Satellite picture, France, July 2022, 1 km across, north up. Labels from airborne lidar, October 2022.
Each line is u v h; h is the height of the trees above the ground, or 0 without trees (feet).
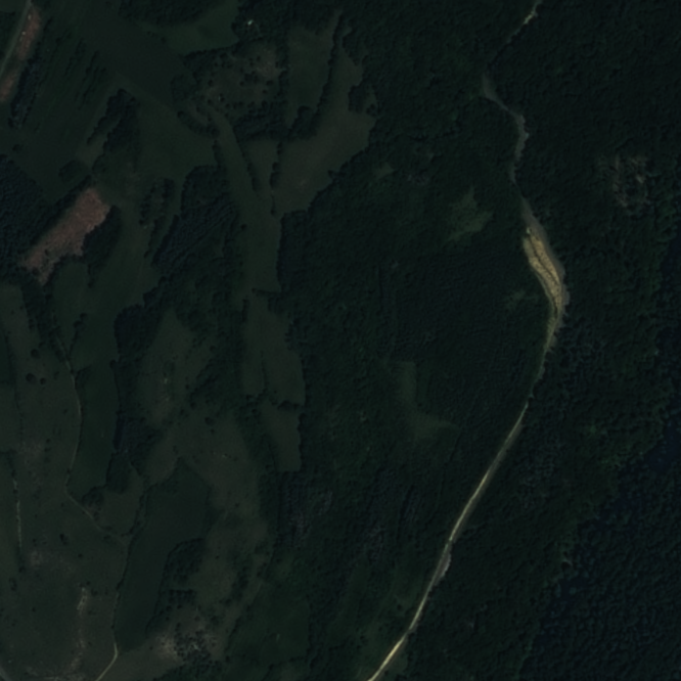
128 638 0
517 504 45
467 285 33
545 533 82
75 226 0
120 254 0
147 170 0
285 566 0
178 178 0
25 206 80
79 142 0
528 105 100
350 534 50
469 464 30
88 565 0
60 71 0
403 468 30
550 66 90
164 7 17
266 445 29
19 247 76
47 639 0
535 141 45
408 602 0
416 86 109
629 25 75
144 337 37
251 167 27
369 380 54
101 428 0
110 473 26
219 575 0
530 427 64
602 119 93
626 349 109
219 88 0
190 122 19
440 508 20
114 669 0
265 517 19
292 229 32
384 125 39
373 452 24
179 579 22
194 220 66
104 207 0
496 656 31
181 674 35
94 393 0
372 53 57
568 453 79
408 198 17
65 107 0
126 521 0
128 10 48
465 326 29
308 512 76
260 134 51
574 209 71
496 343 26
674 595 64
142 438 45
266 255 0
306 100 0
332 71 26
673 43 110
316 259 24
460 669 34
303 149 0
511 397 32
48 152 0
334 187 39
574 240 41
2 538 0
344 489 29
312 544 18
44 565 0
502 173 80
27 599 0
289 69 43
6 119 0
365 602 26
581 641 58
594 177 81
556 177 43
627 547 63
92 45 0
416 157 21
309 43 0
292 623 0
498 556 78
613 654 27
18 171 84
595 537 96
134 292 0
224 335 43
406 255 37
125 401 23
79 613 0
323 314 42
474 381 28
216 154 24
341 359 47
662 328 34
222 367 32
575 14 85
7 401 0
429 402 23
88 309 0
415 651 24
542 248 0
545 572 69
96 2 0
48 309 47
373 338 31
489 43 98
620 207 88
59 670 0
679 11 107
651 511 67
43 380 26
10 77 0
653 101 63
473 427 25
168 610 25
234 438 0
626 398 76
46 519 0
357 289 71
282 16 35
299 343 46
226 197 65
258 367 0
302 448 47
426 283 43
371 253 39
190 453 0
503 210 46
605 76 123
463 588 63
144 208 48
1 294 0
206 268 31
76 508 0
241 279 21
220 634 0
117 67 0
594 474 98
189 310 23
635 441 66
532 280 41
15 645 0
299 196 0
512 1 83
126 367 38
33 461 0
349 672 21
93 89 31
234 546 0
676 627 71
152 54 0
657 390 97
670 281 81
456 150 37
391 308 73
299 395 0
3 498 0
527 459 69
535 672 75
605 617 75
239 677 0
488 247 34
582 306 78
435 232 39
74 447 0
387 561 19
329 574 69
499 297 29
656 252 68
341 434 25
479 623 71
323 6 63
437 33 84
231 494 0
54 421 0
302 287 39
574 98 105
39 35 0
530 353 44
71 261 28
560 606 146
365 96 41
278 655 0
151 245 33
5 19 38
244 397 29
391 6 104
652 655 70
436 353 27
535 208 23
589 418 85
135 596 0
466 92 104
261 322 0
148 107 0
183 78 23
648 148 112
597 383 84
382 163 23
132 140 51
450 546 0
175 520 0
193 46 0
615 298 97
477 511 23
